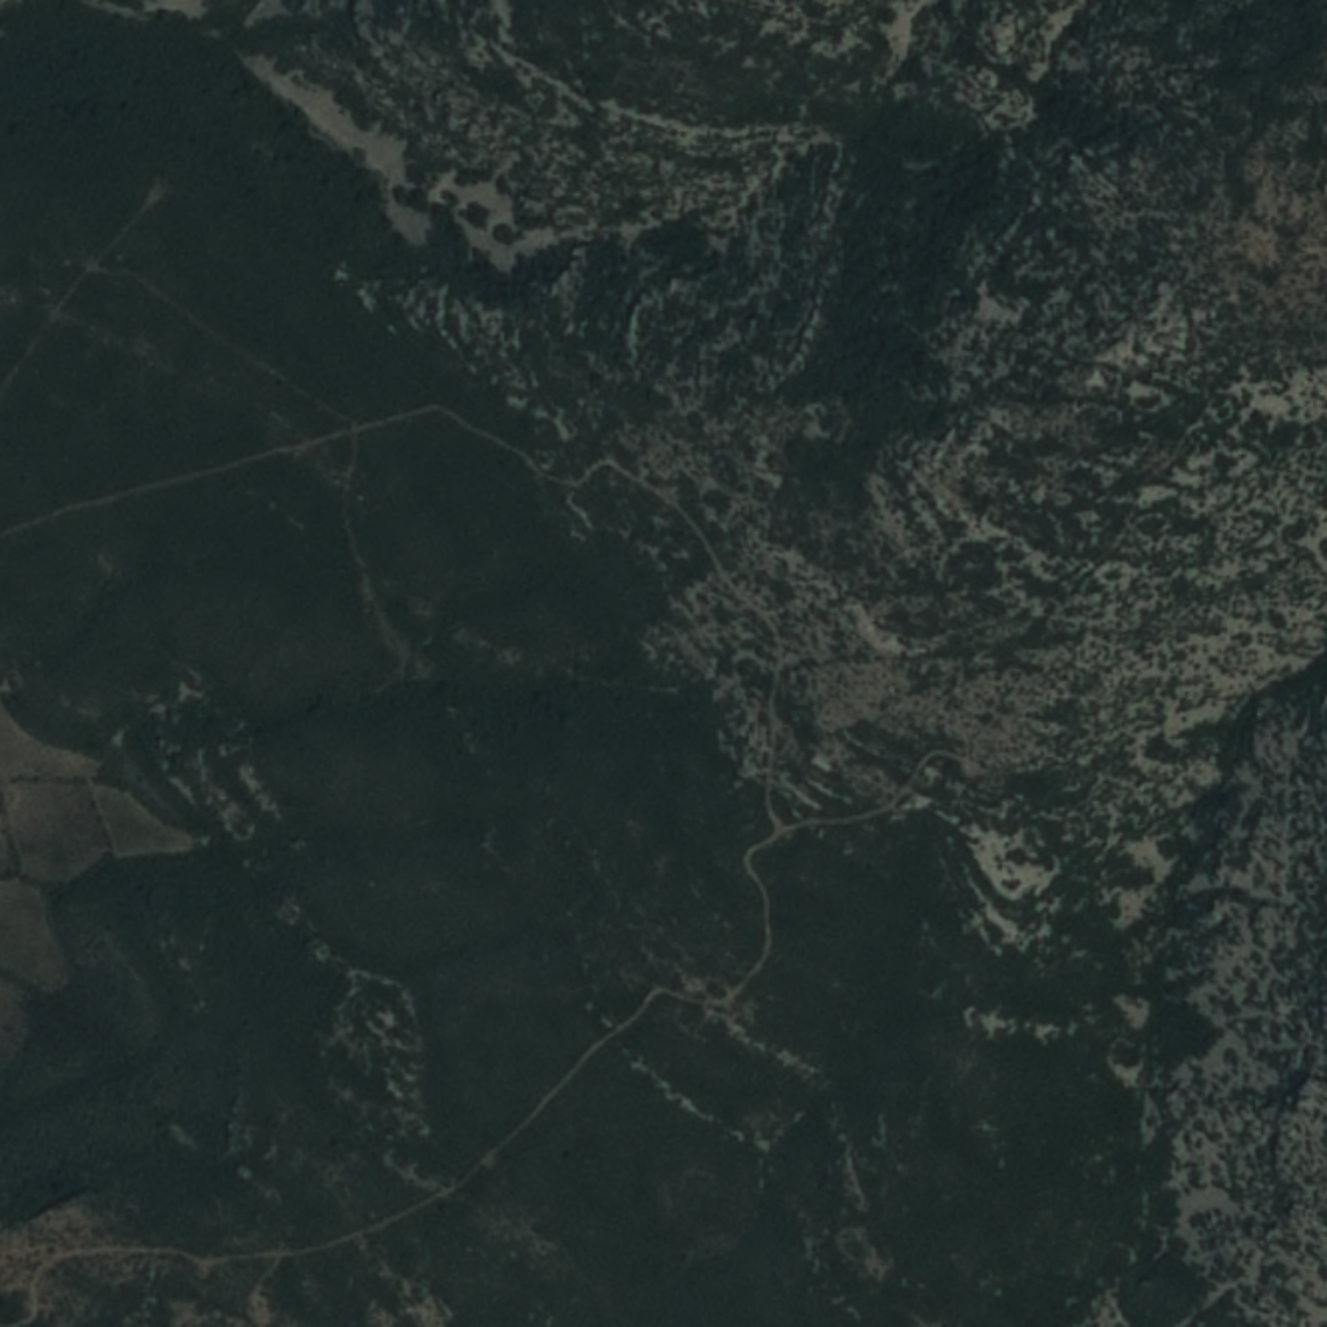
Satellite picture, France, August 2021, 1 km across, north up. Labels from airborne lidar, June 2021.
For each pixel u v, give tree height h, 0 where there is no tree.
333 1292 0
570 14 0
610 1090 0
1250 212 0
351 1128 0
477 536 0
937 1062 0
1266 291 0
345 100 6
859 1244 0
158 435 0
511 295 6
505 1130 0
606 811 0
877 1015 0
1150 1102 0
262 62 0
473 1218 0
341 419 0
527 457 0
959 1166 0
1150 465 0
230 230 0
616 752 0
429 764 0
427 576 0
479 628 0
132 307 0
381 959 0
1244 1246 0
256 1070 0
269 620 0
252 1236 0
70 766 0
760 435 0
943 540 0
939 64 0
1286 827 0
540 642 0
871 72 0
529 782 0
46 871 0
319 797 0
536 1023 0
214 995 0
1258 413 6
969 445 0
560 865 0
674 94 0
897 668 0
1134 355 0
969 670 0
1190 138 0
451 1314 0
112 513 0
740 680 0
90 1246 0
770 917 0
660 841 0
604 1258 0
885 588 0
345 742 0
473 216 9
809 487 0
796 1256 0
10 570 0
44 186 0
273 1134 0
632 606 0
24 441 0
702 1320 0
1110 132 9
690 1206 0
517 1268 0
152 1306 0
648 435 0
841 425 0
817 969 0
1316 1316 0
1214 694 7
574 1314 0
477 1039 0
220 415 0
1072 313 0
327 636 0
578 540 0
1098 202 0
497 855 0
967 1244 0
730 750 0
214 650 0
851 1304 0
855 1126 0
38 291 0
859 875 0
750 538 0
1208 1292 0
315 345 0
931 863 0
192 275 0
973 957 0
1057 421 0
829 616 0
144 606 0
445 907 0
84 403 0
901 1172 0
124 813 0
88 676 0
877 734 0
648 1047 0
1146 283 0
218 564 0
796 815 0
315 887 0
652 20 0
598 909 0
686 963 0
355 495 0
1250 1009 0
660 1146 0
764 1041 0
